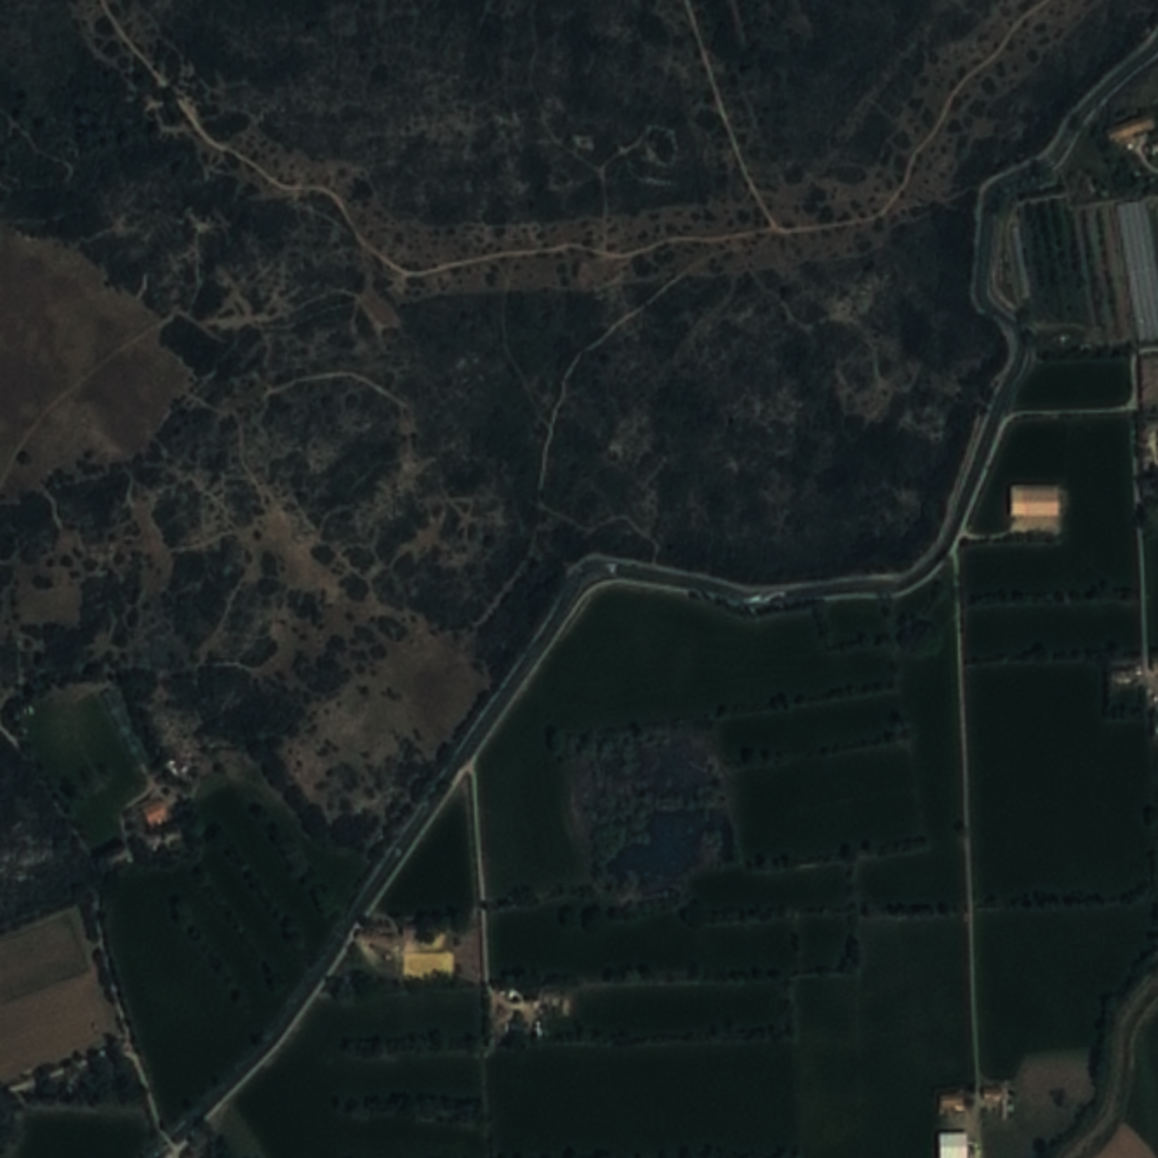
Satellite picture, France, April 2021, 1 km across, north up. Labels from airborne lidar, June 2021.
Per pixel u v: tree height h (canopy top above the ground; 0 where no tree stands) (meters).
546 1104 0
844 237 0
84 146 13
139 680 10
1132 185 10
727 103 0
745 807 0
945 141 0
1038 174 15
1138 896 9
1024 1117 0
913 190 0
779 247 0
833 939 0
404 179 0
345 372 0
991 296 6
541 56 0
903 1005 0
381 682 0
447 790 14
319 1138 0
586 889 8
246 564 0
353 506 0
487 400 0
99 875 13
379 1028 0
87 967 0
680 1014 0
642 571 0
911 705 0
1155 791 0
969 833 11
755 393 0
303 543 0
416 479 0
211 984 0
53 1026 0
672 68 0
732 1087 0
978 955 0
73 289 0
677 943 0
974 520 0
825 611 9
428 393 0
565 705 0
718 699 0
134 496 0
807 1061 0
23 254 0
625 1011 0
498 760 0
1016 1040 0
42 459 0
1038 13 0
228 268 0
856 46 0
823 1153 0
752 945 0
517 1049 11
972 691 0
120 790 0
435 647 0
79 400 0
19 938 0
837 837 0
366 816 6
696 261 0
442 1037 13
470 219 0
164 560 0
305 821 7
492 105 0
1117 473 0
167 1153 0
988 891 0
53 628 6
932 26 0
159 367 0
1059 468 0
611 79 0
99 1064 17
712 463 0
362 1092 0
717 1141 0
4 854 0
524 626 7
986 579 0
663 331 0
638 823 9
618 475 0
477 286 0
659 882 0
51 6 0
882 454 5
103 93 7
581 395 0
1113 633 0
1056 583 0
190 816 12
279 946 0
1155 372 0
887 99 0
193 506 0
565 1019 0
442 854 0
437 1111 12
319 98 0
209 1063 0
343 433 0
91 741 0
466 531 0
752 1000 0
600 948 0
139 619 10
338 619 0
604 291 0
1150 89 0
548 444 0
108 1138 0
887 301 0
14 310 0
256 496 0
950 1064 0
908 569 7
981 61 0
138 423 0
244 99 0
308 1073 0
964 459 6
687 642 0
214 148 0
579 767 0
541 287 0
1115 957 0
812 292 0
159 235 0
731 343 0
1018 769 0
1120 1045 0
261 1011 0
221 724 7
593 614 0
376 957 0
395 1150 0
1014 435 0
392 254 0
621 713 0
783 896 0
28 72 0
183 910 14
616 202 0
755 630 0
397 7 0
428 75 0
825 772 0
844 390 0
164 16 0
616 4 0
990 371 7
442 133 0
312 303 0
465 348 0
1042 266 6
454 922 14
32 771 10
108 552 0
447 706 0
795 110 0
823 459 0
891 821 0
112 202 0
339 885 0
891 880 0
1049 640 0
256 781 0
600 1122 0
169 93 9
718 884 0
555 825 0
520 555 6
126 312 0
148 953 0
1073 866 0
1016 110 0
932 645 17
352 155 0
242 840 0
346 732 0
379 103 0
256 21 0
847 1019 0
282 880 0
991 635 0
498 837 0
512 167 0
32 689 10
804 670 0
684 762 0
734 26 6
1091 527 0
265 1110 0
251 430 0
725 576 6
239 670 0
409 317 0
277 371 0
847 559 5
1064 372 0
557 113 0
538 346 0
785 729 0
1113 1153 0
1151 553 0
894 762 0
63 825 7
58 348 0
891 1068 0
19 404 0
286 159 0
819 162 0
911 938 0
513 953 0
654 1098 0
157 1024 0
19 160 5
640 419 0
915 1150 0
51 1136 0
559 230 0
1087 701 0
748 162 0
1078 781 0
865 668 0
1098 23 0
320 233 0
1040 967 0
